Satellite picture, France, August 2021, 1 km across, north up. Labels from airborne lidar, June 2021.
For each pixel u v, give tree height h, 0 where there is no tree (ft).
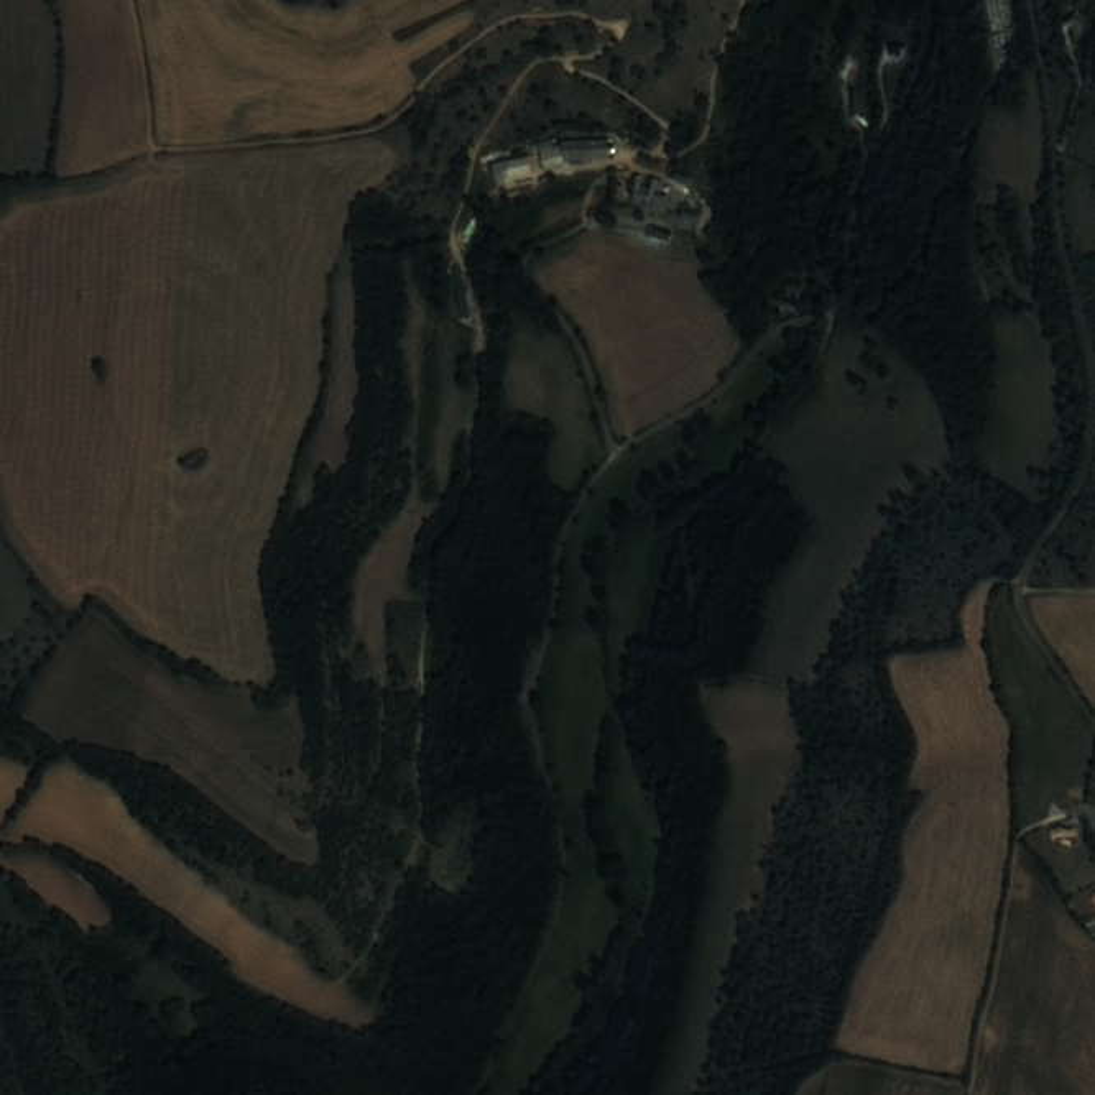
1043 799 0
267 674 0
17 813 30
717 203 32
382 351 36
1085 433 27
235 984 36
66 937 47
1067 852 0
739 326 35
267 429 0
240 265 0
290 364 0
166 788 21
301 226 0
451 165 25
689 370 0
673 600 37
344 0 0
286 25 0
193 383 0
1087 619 0
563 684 0
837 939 21
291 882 18
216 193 0
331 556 42
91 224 0
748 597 34
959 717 0
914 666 0
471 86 31
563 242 0
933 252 80
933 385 42
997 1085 0
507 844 73
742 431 0
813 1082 0
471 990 49
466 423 0
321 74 0
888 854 20
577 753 0
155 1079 89
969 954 0
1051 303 21
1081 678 0
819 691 25
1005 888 24
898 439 0
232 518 0
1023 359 0
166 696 0
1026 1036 0
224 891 0
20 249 0
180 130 0
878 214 49
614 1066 78
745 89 24
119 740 0
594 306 0
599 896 0
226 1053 66
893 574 23
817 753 35
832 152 53
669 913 75
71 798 0
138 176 0
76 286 0
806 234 68
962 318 76
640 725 62
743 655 46
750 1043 28
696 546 28
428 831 39
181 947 52
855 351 0
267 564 37
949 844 0
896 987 0
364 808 23
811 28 76
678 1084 0
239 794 0
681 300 0
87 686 0
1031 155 0
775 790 0
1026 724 0
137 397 0
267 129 0
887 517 27
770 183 86
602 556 88
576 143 0
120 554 0
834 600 0
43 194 0
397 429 35
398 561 0
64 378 0
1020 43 34
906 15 83
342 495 28
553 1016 0
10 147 0
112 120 0
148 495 0
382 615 0
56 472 0
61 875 0
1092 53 43
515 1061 0
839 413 0
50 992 29
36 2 0
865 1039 0
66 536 0
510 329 56
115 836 0
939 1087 0
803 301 47
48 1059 33
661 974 62
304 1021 42
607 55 29
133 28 0
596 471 22
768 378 0
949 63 54
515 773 49
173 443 0
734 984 22
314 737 28
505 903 49
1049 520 26
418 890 40
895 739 42
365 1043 54
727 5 0
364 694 31
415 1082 57
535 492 60
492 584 63
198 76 0
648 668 63
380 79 0
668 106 0
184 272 0
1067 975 0
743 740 0
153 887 0
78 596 0
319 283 0
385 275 40
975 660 0
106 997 35
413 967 50
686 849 61
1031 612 0
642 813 0
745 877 0
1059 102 0
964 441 53
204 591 0
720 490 37
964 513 32
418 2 0
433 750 29
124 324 0
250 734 0
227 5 0
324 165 0
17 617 0
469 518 53
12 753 27
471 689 47
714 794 57
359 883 19
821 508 0
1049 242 37
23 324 0
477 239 26
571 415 0
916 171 51
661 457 0
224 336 0
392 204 32
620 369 0
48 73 0
